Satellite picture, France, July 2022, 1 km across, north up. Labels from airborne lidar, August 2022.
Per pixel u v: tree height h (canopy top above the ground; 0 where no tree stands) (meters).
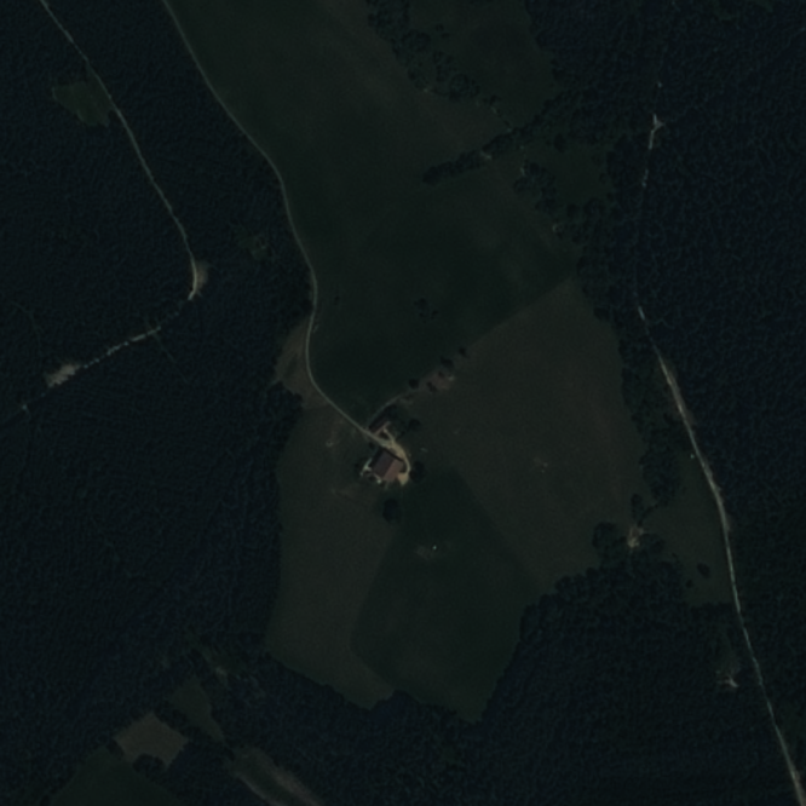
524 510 0
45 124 25
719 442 34
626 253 33
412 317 0
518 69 0
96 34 15
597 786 11
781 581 6
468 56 0
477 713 0
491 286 0
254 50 0
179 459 17
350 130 0
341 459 0
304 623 0
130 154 18
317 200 0
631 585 24
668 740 23
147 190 20
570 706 30
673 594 20
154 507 9
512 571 0
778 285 30
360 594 0
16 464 18
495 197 0
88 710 29
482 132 0
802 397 24
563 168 0
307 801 0
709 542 0
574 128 6
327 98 0
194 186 12
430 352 0
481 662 0
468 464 0
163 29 19
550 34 22
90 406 16
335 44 0
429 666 0
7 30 20
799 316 28
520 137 7
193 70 21
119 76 24
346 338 0
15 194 16
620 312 15
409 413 0
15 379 14
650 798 10
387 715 33
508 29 0
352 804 12
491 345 0
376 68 0
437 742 30
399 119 0
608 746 18
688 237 28
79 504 16
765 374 28
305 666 0
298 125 0
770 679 8
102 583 15
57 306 14
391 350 0
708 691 14
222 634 27
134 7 21
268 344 25
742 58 29
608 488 0
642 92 29
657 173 30
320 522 0
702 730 17
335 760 33
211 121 19
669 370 0
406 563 0
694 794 12
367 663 0
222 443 17
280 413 20
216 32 0
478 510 0
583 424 0
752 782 9
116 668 26
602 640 28
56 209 15
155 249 21
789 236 31
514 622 0
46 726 24
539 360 0
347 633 0
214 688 22
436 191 0
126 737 0
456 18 0
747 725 17
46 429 18
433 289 0
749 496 33
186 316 17
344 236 0
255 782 0
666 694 19
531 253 0
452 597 0
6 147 19
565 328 0
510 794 33
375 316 0
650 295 27
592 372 0
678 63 30
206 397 19
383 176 0
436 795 26
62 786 12
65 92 0
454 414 0
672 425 22
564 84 7
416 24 0
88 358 17
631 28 27
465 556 0
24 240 16
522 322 0
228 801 24
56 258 17
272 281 23
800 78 30
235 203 11
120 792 0
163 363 14
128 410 12
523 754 31
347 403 0
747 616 12
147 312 15
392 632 0
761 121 31
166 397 13
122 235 20
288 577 0
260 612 20
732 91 26
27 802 13
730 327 27
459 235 0
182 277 16
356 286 0
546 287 0
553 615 29
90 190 25
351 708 25
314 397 0
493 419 0
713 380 36
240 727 22
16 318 16
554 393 0
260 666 24
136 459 15
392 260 0
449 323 0
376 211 0
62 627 18
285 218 9
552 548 0
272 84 0
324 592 0
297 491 0
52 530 15
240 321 26
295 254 9
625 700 23
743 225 34
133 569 16
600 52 18
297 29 0
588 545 0
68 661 15
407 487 0
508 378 0
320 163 0
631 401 18
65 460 15
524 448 0
